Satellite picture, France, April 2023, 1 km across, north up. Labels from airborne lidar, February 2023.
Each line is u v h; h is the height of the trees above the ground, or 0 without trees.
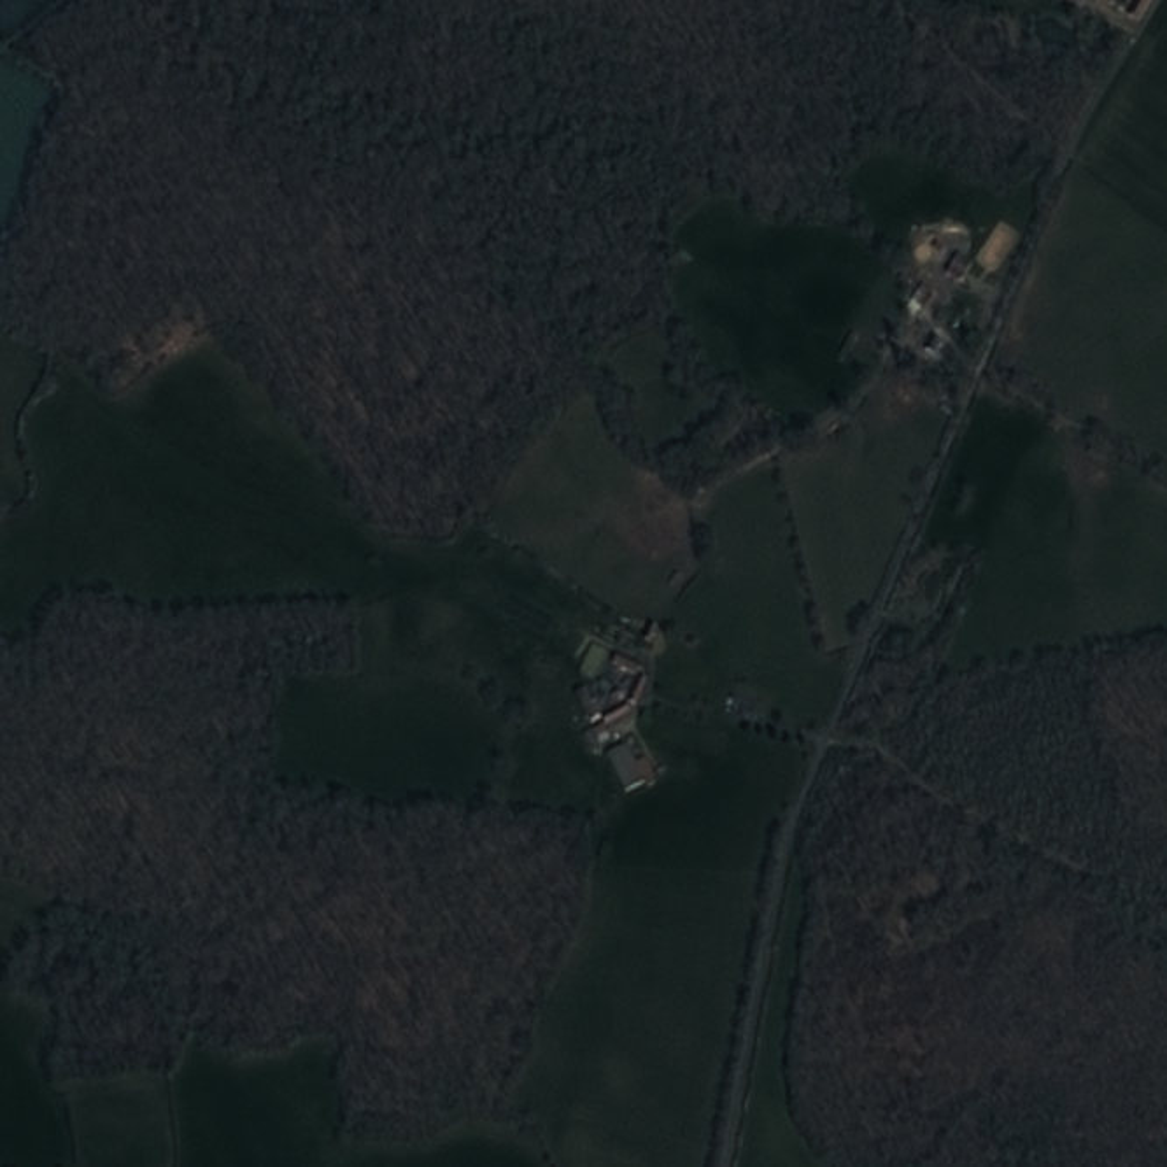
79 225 22
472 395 25
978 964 7
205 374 0
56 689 22
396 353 24
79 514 0
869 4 15
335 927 20
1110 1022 19
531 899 19
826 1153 15
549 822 19
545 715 0
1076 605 0
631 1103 0
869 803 18
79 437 0
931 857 24
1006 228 0
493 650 0
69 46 25
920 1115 9
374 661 0
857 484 0
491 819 24
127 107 23
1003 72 8
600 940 0
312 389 24
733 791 0
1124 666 22
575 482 0
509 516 0
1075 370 0
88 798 24
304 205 25
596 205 13
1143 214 0
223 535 0
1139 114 0
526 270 19
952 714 15
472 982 19
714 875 0
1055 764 17
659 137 18
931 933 23
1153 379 0
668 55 21
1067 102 21
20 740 21
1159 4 0
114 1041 23
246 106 13
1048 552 0
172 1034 21
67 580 0
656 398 0
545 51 12
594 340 19
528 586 0
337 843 21
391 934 21
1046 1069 12
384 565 0
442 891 14
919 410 0
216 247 26
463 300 25
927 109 17
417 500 26
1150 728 27
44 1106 0
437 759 0
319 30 19
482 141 11
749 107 18
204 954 16
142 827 25
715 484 14
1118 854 11
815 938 18
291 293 22
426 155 24
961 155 16
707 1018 0
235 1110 0
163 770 23
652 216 18
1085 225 0
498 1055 12
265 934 23
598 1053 0
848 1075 15
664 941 0
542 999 7
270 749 16
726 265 0
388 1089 20
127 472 0
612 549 0
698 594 0
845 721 11
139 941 20
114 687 24
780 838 16
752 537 0
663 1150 0
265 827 17
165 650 19
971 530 0
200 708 20
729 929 0
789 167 24
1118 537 0
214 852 21
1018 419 0
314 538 0
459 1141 0
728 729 0
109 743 24
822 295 0
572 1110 0
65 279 19
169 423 0
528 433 21
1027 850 10
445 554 0
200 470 0
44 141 17
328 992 22
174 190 23
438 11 20
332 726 0
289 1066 0
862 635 20
